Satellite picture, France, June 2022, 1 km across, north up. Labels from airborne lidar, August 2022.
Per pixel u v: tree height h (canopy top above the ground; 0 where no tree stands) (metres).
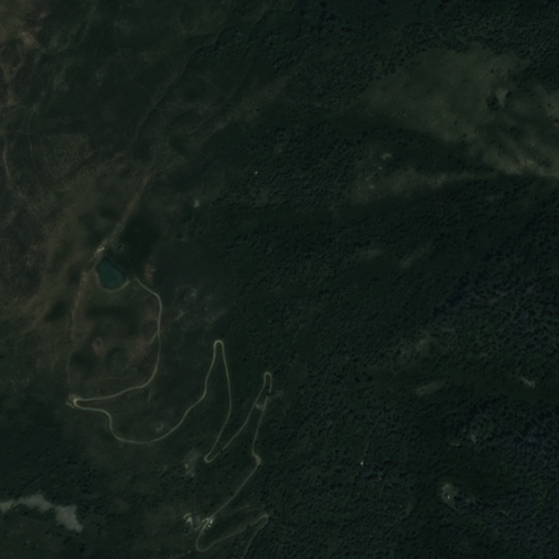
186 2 0
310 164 9
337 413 20
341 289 9
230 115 0
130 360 0
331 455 8
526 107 0
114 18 0
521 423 10
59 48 0
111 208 0
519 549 16
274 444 9
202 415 0
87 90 0
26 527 0
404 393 15
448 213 8
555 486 12
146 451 0
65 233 0
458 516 21
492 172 7
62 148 0
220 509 0
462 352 9
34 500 0
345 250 7
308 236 7
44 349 0
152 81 0
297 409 9
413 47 10
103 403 0
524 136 0
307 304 12
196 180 0
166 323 0
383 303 7
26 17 0
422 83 0
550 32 18
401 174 0
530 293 11
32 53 0
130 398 0
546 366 19
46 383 0
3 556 0
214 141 0
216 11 0
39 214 0
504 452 24
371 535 14
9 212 0
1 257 0
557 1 9
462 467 15
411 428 12
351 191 8
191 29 0
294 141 14
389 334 10
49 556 0
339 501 11
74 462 9
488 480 16
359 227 8
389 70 9
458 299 20
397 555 14
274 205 10
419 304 9
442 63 0
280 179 9
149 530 0
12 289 0
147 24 0
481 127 0
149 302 0
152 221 0
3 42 0
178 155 0
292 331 7
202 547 0
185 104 0
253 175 10
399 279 10
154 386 0
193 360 0
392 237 9
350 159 9
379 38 6
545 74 9
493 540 6
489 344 20
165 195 0
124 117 0
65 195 0
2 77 0
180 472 7
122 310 0
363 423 17
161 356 0
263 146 8
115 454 0
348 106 8
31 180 0
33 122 0
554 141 0
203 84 0
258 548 17
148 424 0
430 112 0
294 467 10
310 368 12
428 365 10
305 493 18
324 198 19
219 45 9
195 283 0
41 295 0
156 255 0
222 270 0
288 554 11
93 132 0
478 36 7
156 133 0
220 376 0
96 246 0
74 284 0
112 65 0
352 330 8
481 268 8
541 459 18
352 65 10
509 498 17
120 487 0
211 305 0
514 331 16
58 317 0
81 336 0
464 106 0
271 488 10
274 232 8
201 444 8
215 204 7
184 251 0
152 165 0
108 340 0
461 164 14
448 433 11
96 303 0
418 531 15
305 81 7
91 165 0
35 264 0
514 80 11
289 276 13
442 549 16
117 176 0
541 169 0
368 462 12
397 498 13
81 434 0
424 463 13
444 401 7
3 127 0
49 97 0
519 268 12
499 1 12
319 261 14
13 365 0
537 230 9
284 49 8
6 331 0
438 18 7
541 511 16
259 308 6
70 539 6
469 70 0
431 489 17
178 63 0
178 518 0
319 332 10
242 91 0
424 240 7
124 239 0
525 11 10
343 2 6
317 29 12
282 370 7
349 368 11
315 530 7
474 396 11
